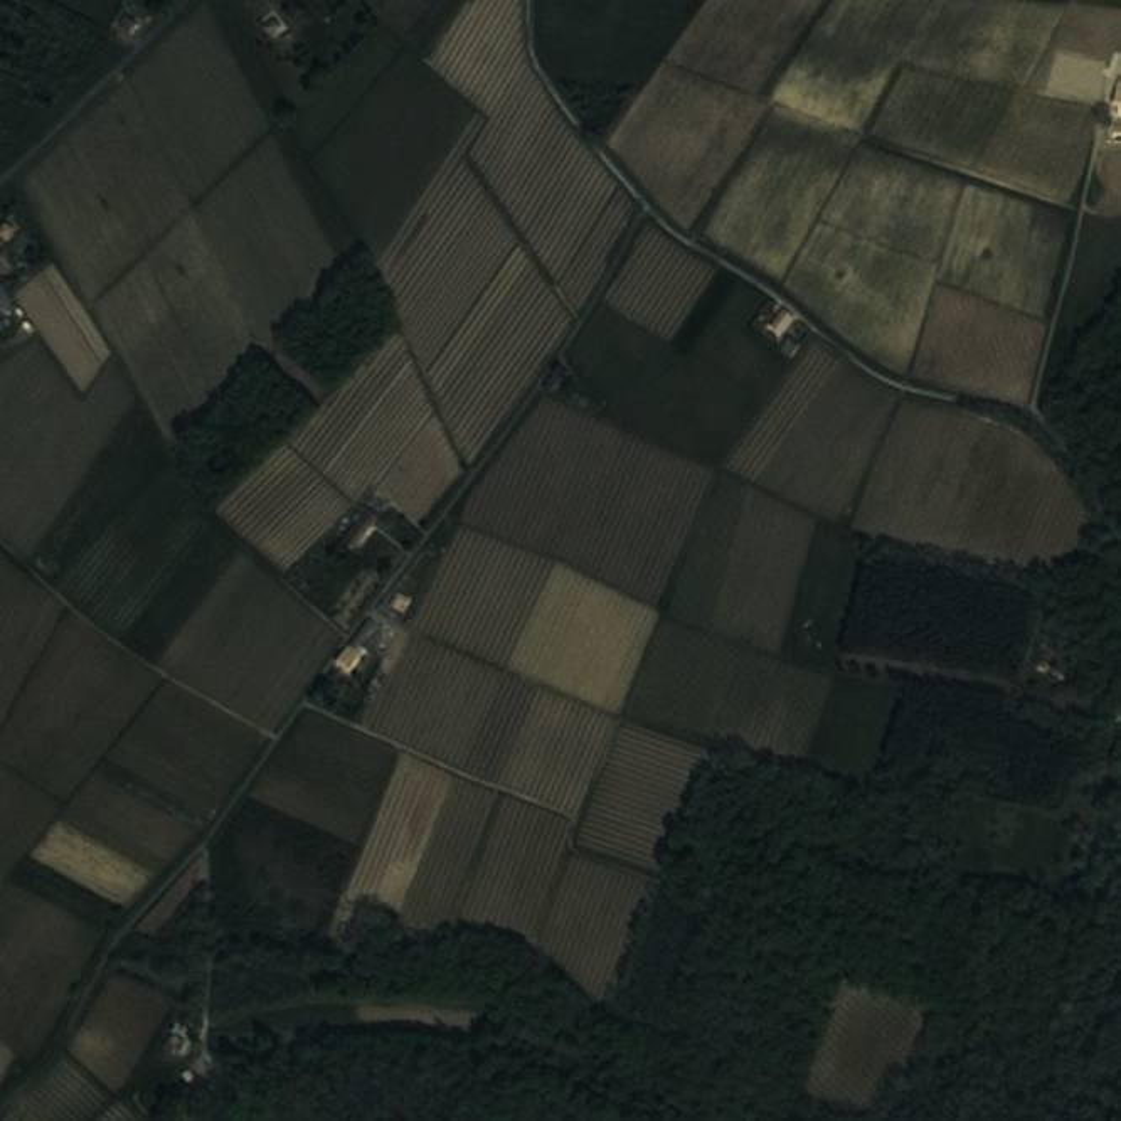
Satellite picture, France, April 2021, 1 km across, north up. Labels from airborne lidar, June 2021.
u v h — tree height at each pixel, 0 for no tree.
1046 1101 19
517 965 23
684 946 20
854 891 27
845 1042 0
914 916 24
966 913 23
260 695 0
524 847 0
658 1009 19
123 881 0
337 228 0
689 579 0
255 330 0
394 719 0
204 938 15
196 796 0
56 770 0
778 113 0
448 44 0
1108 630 22
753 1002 23
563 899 0
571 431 0
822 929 21
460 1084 16
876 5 0
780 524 0
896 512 0
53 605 0
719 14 0
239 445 19
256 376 20
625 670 0
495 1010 22
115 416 0
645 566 0
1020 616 15
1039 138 0
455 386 0
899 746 14
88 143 0
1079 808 0
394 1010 0
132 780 0
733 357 0
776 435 0
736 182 0
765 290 0
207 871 0
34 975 0
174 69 0
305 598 0
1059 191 0
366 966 22
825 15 0
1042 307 0
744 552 0
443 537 0
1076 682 13
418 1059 17
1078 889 10
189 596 0
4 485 0
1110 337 16
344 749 0
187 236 0
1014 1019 15
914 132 0
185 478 14
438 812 0
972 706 14
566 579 0
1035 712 15
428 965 26
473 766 0
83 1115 0
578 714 0
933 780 19
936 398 0
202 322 0
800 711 0
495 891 0
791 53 0
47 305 0
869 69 0
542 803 0
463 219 0
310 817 0
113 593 0
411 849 0
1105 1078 15
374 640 0
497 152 0
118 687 0
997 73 0
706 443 0
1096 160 0
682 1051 26
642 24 0
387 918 21
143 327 0
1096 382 15
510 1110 19
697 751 0
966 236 0
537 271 0
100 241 0
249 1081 24
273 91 0
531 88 0
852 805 21
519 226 0
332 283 19
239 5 0
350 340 16
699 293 0
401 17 0
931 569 13
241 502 0
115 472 0
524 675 0
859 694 0
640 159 0
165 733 0
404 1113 15
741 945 24
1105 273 0
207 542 0
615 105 7
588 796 0
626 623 0
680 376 0
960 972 21
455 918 0
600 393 0
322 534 0
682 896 20
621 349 0
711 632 0
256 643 0
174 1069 0
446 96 0
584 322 0
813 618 0
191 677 0
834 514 0
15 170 0
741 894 28
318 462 0
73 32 8
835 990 20
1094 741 16
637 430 0
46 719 0
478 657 0
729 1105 15
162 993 13
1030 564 0
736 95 0
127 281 0
